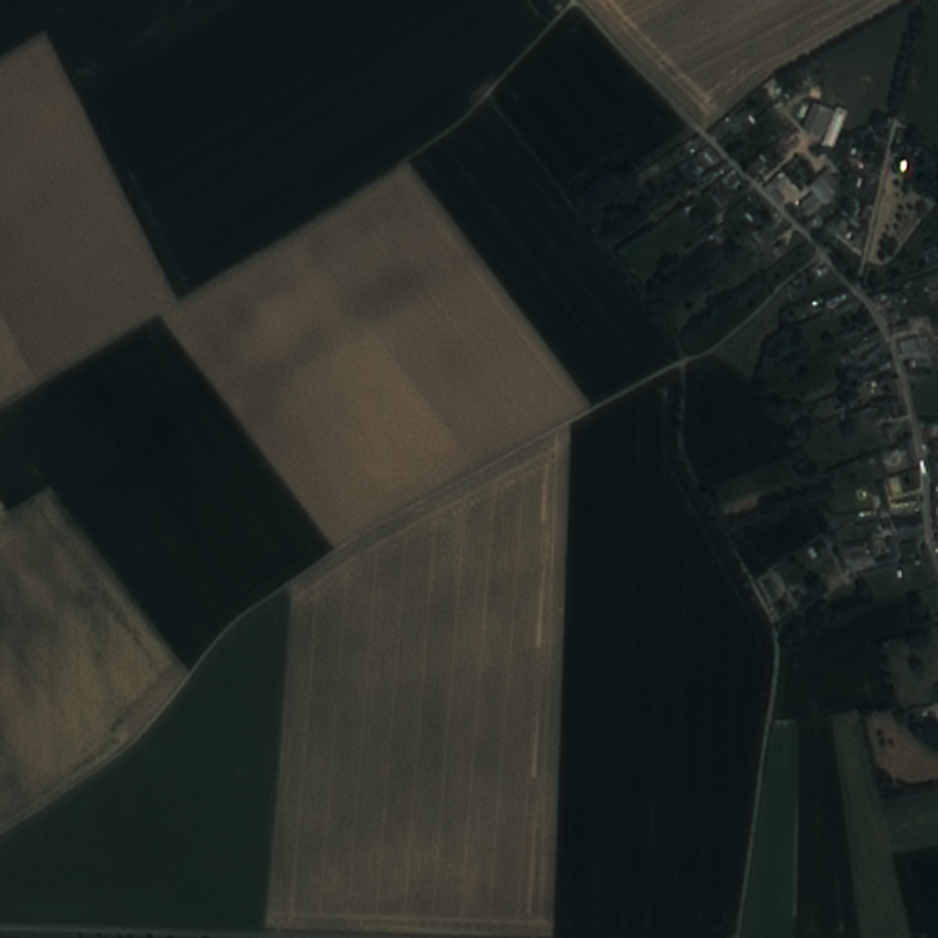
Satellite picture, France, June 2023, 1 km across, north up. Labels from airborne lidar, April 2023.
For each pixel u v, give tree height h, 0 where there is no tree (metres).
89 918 0
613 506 0
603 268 0
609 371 0
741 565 11
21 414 0
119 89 0
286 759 0
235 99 0
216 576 0
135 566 0
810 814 0
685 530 0
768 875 0
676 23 0
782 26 0
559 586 0
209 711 0
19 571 0
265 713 0
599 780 0
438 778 0
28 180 0
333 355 0
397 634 0
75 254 0
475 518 0
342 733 0
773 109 0
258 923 0
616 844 0
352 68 0
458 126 0
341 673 0
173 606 0
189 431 0
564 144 0
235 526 0
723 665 0
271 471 0
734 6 0
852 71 0
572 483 0
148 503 0
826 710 0
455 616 0
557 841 0
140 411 0
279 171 0
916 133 13
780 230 0
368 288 0
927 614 17
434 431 0
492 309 0
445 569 0
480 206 0
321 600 0
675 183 7
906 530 0
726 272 0
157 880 0
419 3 0
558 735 0
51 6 0
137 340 0
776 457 0
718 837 0
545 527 0
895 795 9
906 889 0
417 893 0
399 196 0
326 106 0
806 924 0
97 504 0
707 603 0
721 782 0
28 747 0
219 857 0
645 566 0
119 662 0
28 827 0
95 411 0
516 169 0
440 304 0
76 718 0
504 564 0
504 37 0
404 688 0
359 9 0
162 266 0
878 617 0
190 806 0
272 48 0
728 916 0
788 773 0
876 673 0
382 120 0
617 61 0
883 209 0
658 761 0
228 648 0
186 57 0
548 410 0
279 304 0
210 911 0
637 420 0
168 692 0
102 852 0
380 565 0
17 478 0
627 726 0
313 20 0
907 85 7
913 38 8
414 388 0
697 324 15
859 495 0
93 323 0
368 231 0
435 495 0
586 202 26
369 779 0
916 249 0
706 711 0
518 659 0
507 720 0
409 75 0
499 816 0
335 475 0
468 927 0
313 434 0
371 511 0
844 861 0
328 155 0
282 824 0
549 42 0
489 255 0
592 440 0
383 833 0
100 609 0
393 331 0
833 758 0
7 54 0
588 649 0
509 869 0
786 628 11
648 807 0
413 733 0
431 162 0
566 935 0
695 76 0
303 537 0
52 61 0
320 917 0
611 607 0
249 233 0
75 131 0
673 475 0
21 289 0
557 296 0
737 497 0
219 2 0
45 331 0
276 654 0
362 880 0
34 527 0
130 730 0
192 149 0
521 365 0
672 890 0
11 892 0
